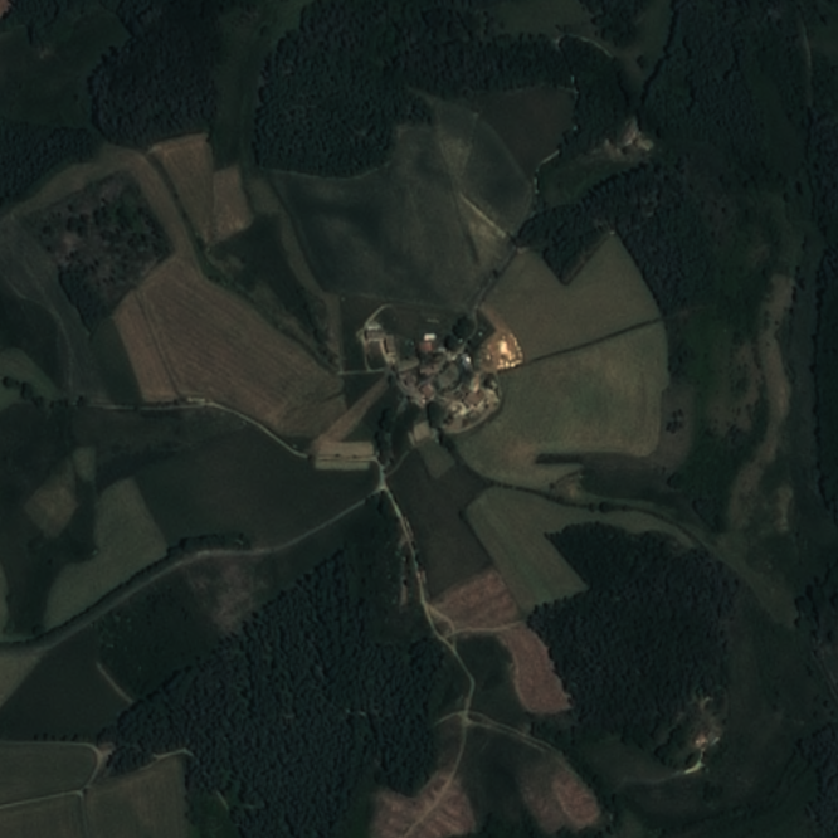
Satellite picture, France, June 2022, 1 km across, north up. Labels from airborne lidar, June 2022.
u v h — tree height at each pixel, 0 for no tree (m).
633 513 0
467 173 0
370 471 0
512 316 0
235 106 0
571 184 0
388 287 0
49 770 0
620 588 19
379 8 8
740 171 8
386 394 0
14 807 0
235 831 0
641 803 0
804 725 0
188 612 9
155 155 0
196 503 0
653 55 0
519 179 0
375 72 16
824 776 19
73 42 0
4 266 0
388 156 16
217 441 0
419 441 0
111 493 0
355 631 29
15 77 0
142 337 0
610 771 0
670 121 26
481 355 0
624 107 11
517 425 0
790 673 0
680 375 10
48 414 0
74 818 0
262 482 0
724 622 15
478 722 0
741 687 0
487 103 0
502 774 0
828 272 11
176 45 22
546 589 0
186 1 29
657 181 25
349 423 0
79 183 0
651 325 0
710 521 16
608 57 15
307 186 0
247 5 10
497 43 8
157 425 0
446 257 0
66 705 0
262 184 0
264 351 0
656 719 8
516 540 0
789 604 0
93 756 0
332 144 20
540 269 0
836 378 8
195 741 15
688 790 0
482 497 0
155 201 0
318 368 0
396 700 26
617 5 18
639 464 0
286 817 23
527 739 0
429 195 0
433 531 0
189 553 25
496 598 0
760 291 8
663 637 19
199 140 0
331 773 27
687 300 29
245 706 22
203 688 17
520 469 0
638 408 0
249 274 0
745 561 0
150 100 21
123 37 0
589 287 0
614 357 0
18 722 0
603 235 15
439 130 0
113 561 0
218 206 0
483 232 0
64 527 0
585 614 15
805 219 0
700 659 18
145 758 18
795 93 5
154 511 0
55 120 0
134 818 0
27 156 19
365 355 0
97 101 8
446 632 0
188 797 7
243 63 0
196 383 0
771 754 0
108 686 0
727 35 23
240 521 0
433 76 14
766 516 0
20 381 9
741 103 25
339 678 29
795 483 0
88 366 0
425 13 9
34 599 0
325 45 8
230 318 0
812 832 0
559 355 0
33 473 0
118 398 0
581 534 13
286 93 20
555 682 0
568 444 0
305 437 0
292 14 0
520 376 0
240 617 0
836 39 0
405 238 0
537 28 0
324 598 31
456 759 0
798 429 0
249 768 21
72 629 13
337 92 19
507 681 0
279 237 0
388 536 10
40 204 0
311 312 6
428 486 0
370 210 0
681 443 0
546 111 0
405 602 0
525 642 0
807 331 0
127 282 0
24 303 0
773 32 6
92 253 0
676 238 24
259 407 0
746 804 6
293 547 0
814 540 0
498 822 11
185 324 0
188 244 0
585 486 0
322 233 0
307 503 0
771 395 0
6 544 0
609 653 18
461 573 0
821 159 7
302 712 25
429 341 0
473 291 0
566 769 0
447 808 0
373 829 0
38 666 0
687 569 20
